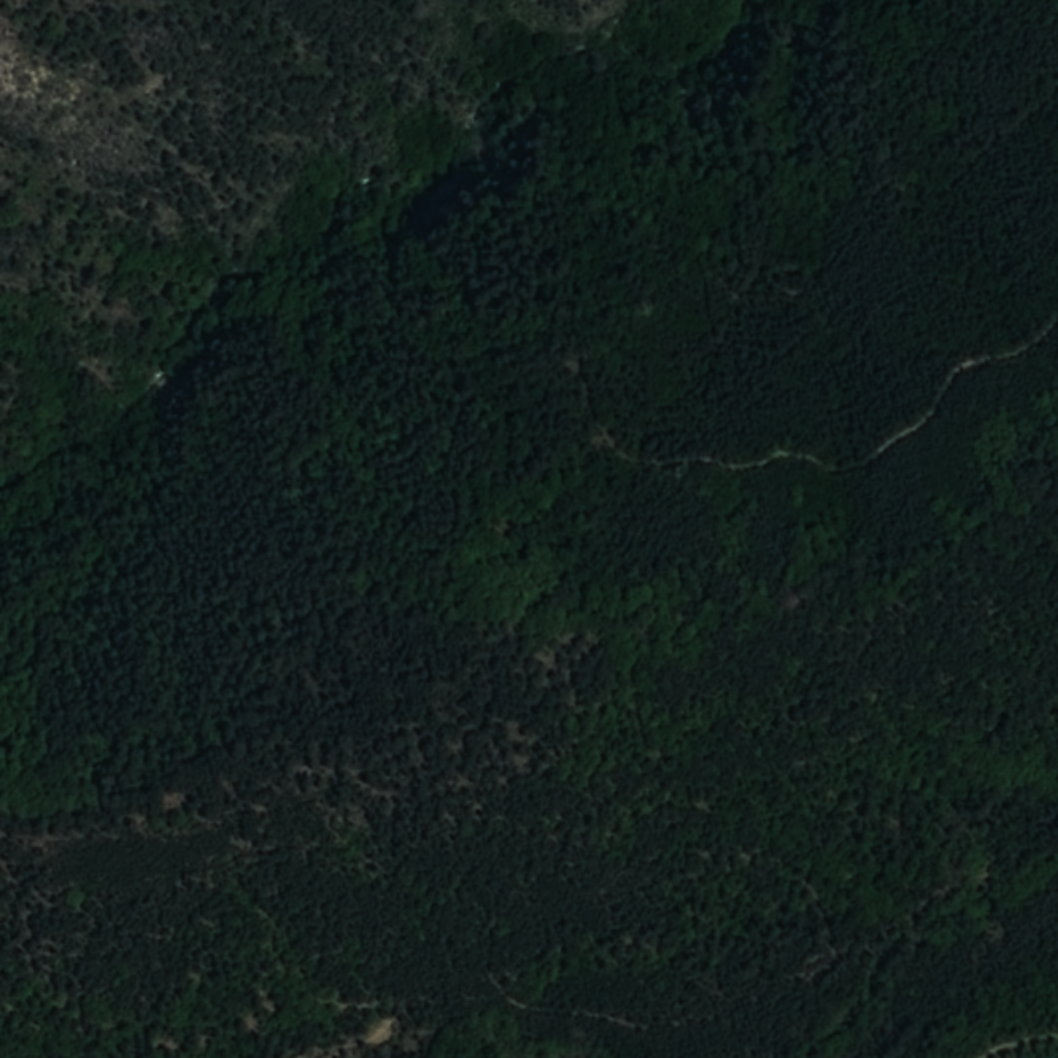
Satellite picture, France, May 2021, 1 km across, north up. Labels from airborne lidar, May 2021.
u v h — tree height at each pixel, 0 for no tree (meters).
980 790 18
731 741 22
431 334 23
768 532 12
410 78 24
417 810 25
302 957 14
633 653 23
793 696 16
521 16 6
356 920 22
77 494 18
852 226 13
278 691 19
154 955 23
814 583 19
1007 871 19
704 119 12
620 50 17
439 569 22
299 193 14
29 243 22
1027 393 9
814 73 15
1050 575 10
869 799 28
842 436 12
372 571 13
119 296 10
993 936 13
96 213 24
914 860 16
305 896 25
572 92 22
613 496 15
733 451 12
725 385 19
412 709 23
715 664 20
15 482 16
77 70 19
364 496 31
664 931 21
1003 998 16
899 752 19
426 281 21
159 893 11
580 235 20
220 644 20
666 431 6
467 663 20
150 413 21
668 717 21
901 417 14
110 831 22
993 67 31
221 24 21
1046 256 11
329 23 25
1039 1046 15
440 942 23
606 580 16
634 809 17
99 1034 23
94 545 14
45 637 23
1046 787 18
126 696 21
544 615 22
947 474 11
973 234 22
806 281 19
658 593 12
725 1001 12
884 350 17
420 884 16
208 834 8
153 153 22
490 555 21
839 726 21
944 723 18
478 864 21
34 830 20
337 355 27
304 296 32
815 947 14
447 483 23
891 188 17
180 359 22
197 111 26
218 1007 30
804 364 8
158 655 18
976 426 14
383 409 15
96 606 27
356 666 19
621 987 17
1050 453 22
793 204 32
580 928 19
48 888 23
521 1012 13
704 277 18
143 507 27
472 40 8
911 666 21
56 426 25
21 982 20
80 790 20
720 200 22
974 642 21
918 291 14
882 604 24
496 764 27
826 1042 19
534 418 24
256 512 19
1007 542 20
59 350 28
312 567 27
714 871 17
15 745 25
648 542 13
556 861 14
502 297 14
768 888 21
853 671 23
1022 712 25
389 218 27
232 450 19
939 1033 21
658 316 19
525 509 22
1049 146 16
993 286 16
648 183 21
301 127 22
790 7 26
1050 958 16
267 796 26
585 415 9
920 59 27
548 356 19
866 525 15
